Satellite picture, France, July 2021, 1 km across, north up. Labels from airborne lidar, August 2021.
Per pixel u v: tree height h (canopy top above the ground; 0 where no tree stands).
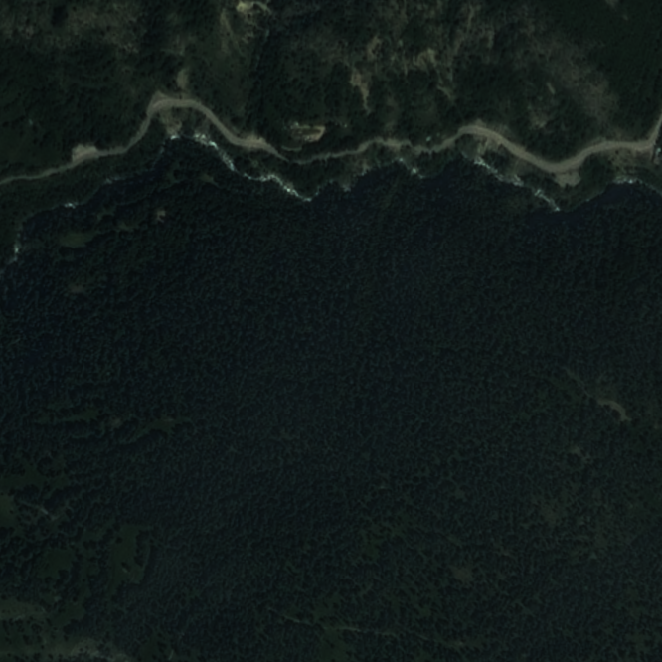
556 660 22
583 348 10
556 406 7
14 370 19
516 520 15
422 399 27
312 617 17
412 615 9
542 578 21
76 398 30
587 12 9
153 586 20
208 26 7
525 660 20
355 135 11
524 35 9
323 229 12
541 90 8
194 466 15
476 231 23
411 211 17
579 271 17
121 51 8
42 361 27
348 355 9
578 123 7
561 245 29
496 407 13
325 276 12
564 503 17
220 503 16
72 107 9
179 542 19
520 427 21
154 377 10
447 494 17
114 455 29
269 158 18
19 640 0
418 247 13
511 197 8
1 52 9
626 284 15
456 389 24
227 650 17
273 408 27
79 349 29
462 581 12
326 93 8
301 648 26
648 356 22
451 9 9
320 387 23
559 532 19
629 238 11
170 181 16
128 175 12
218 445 5
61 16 28
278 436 14
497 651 18
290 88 9
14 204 9
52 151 0
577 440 24
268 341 11
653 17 7
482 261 9
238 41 0
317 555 22
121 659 0
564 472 13
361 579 21
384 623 20
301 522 17
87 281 8
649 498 6
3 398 23
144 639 22
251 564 26
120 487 22
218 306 29
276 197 10
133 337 32
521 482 9
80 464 24
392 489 16
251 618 10
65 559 0
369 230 16
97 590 15
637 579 13
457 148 17
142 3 7
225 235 11
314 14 9
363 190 15
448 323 25
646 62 9
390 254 20
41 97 14
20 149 0
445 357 25
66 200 7
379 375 11
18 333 11
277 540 17
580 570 26
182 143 12
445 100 15
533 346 13
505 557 16
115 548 0
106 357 15
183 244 14
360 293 30
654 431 6
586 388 9
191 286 11
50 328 25
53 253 16
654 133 0
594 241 19
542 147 6
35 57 8
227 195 28
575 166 0
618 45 8
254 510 16
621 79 9
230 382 23
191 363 10
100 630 18
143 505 21
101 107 8
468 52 12
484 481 12
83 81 12
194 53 9
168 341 14
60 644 0
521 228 13
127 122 8
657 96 11
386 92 7
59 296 20
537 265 24
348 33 10
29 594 15
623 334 25
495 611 17
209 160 20
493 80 19
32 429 17
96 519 14
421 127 6
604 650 18
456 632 17
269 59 14
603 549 9
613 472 14
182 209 18
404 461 27
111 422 9
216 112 11
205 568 12
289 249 9
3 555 12
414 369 23
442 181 9
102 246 11
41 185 7
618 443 31
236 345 12
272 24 12
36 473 0
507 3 11
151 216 19
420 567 19
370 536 9
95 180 7
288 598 22
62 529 8
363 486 15
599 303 9
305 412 22
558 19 6
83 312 26
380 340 13
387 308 9
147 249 12
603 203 12
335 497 14
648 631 14
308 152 16
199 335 33
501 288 7
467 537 16
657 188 7
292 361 9
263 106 14
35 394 25
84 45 9
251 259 21
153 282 21
